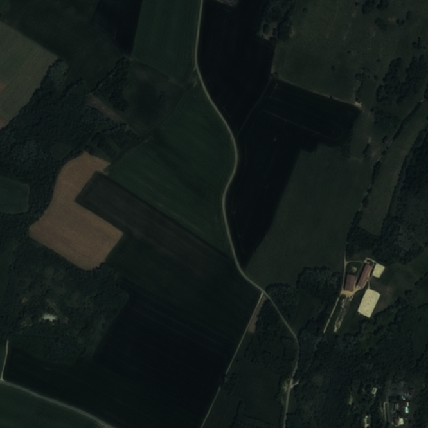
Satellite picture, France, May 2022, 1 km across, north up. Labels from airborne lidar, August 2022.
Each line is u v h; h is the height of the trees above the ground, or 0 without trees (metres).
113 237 0
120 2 0
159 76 0
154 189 0
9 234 8
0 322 11
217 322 0
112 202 0
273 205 0
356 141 0
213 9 0
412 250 7
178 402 0
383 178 0
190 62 0
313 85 0
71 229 0
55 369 0
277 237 0
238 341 0
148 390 0
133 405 0
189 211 0
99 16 0
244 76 0
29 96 0
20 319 11
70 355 14
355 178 0
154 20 0
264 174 0
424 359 6
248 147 0
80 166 0
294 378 9
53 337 13
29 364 0
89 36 0
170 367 0
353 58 0
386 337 13
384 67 0
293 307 15
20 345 11
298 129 0
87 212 0
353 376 12
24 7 0
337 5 0
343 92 0
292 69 0
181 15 0
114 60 0
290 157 0
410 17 10
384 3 13
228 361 0
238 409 9
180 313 0
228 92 0
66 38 0
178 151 0
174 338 0
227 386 13
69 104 12
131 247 0
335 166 0
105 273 13
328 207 0
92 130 12
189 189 0
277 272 0
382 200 0
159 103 0
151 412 0
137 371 0
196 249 0
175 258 0
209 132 0
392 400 6
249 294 0
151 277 0
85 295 9
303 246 0
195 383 0
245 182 0
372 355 9
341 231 0
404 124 14
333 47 0
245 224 0
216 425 0
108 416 0
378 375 7
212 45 0
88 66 0
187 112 0
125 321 0
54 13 0
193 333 0
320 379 0
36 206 5
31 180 12
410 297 6
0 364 0
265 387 0
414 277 0
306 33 0
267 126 0
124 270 0
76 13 0
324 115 0
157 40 0
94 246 0
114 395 0
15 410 0
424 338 0
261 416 0
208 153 0
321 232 0
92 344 0
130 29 0
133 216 0
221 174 0
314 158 0
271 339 11
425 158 15
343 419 6
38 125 13
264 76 0
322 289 13
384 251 12
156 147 0
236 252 0
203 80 0
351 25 0
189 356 0
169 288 0
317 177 0
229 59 0
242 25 0
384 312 9
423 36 0
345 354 10
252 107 0
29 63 0
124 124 10
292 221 0
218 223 0
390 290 0
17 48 0
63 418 0
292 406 0
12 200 0
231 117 0
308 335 19
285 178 0
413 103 0
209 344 0
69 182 0
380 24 9
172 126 0
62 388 0
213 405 0
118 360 0
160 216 0
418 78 11
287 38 16
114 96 15
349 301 0
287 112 0
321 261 0
